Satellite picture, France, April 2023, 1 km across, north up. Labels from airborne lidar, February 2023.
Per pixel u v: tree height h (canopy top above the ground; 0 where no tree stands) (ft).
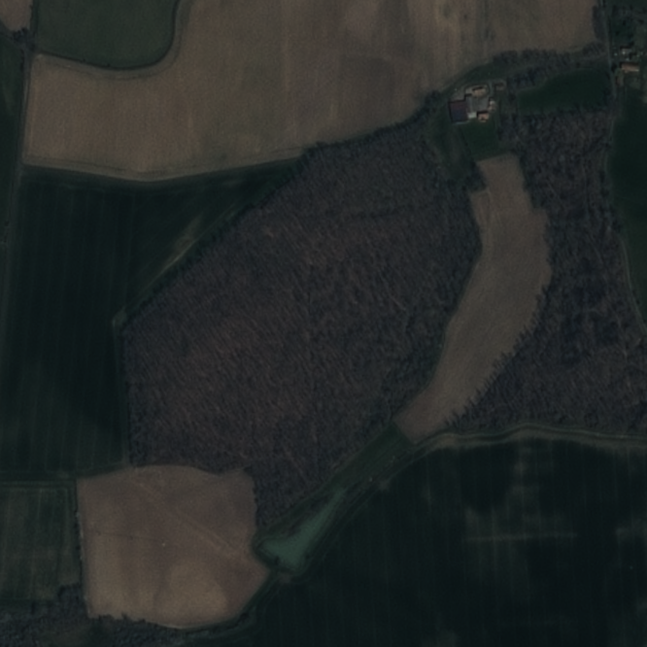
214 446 55
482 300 0
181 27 0
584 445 0
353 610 0
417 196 74
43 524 0
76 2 0
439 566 0
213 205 0
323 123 0
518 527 0
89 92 0
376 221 68
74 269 0
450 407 0
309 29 0
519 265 0
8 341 0
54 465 0
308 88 0
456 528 0
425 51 0
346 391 53
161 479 0
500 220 0
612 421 68
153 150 0
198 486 0
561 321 70
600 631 0
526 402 76
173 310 78
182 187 0
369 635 0
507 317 0
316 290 68
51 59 0
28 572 0
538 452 0
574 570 0
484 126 0
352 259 65
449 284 75
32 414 0
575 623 0
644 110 0
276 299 80
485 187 64
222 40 0
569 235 78
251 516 0
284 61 0
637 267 0
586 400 68
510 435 0
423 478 0
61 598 43
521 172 0
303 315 75
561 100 0
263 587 0
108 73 0
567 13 0
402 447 0
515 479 0
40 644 34
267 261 63
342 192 64
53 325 0
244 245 84
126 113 0
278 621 0
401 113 0
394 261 67
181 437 63
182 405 65
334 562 0
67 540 0
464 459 0
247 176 0
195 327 78
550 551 0
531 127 70
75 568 0
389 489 0
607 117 55
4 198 0
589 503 0
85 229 0
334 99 0
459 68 0
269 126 0
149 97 0
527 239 0
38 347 0
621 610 0
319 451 70
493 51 0
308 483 71
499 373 72
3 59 0
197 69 0
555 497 0
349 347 70
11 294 0
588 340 66
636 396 72
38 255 0
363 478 0
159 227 0
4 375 0
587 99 0
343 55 0
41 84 0
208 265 69
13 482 0
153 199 0
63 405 0
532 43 0
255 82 0
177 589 0
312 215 70
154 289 0
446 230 69
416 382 61
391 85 0
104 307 0
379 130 0
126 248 0
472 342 0
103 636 0
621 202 0
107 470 0
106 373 0
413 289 77
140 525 0
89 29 0
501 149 0
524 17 0
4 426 0
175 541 0
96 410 0
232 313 72
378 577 0
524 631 0
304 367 60
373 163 67
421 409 0
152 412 67
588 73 0
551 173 70
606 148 39
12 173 0
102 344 0
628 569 0
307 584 0
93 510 0
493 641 0
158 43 0
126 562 0
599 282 56
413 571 0
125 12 0
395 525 0
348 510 0
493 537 0
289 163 0
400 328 69
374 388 39
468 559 0
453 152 0
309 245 71
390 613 0
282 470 65
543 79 64
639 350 29
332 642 0
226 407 71
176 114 0
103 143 0
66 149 0
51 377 0
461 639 0
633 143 0
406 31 0
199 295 78
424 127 75
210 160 0
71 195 0
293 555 0
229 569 0
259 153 0
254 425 49
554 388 52
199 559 0
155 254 0
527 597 0
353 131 0
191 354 79
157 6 0
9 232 0
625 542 0
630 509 0
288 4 0
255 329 73
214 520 0
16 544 0
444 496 0
